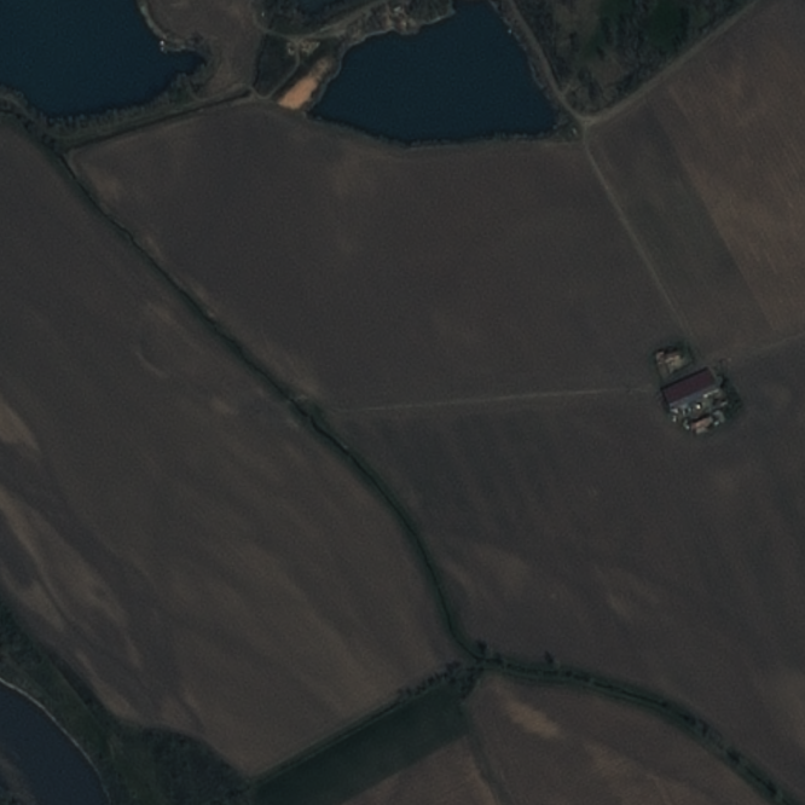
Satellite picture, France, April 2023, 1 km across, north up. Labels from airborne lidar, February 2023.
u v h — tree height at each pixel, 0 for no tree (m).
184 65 0
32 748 0
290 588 0
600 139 0
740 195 0
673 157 0
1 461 0
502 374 0
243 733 0
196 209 0
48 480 0
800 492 0
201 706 0
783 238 0
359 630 0
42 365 0
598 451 0
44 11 0
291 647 0
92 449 0
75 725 0
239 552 0
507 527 0
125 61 0
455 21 0
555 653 0
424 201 0
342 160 0
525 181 0
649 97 0
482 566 0
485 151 0
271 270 0
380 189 0
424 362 0
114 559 0
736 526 0
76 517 0
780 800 24
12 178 0
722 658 0
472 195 0
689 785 0
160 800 0
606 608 0
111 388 0
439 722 0
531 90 0
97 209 0
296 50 0
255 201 0
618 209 0
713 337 0
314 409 0
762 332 0
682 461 0
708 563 0
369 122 0
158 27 0
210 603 0
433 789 0
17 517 0
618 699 0
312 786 0
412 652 0
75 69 0
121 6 0
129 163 0
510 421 0
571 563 0
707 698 0
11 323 0
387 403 0
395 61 0
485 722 0
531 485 0
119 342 0
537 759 0
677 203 0
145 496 0
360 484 0
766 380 0
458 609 0
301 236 0
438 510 0
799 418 0
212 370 0
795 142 0
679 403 0
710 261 0
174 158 0
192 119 0
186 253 0
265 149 0
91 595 0
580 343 0
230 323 0
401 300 0
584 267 0
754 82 0
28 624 0
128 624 0
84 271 0
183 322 0
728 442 0
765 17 0
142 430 0
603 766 0
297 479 0
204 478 0
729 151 0
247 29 0
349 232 0
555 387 0
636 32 18
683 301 0
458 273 0
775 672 0
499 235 0
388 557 0
